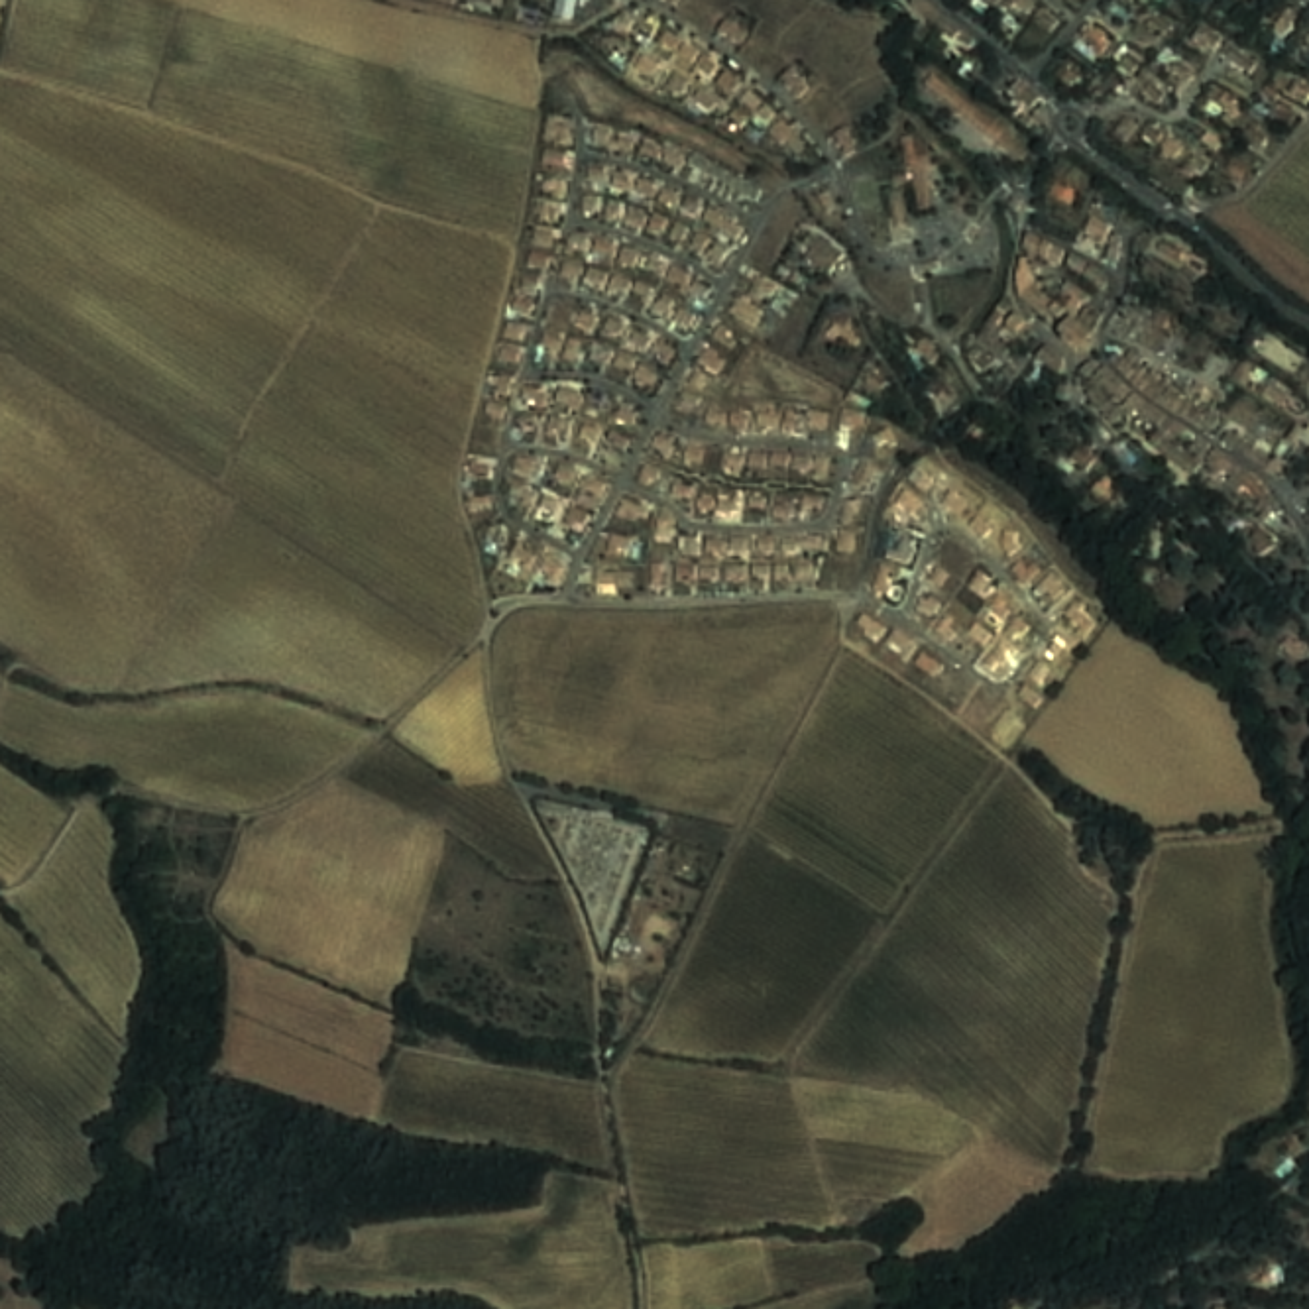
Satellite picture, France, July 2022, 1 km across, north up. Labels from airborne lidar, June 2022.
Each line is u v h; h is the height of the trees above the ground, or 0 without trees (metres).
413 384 0
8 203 0
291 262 0
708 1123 0
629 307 0
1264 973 0
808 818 0
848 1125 0
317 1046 0
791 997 0
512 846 0
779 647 0
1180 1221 12
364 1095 0
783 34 0
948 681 0
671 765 0
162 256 0
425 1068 0
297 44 0
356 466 0
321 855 0
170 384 0
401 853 0
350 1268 0
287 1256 21
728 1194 0
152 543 0
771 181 0
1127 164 11
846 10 11
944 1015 0
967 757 0
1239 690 21
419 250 0
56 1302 19
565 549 0
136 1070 16
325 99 0
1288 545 6
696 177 0
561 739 0
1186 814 0
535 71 0
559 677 0
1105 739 0
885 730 0
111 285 0
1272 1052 0
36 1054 0
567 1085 0
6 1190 0
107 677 0
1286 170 0
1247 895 0
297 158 0
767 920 0
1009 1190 0
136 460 0
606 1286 0
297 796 0
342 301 0
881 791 0
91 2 0
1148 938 0
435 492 0
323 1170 10
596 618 0
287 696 7
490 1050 7
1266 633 25
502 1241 0
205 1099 19
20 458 0
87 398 0
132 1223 17
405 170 0
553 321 0
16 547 0
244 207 0
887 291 0
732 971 0
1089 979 0
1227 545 14
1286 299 11
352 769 0
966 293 0
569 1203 0
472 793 0
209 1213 15
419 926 0
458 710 0
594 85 0
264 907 0
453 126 0
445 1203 7
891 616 0
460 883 0
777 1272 0
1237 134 10
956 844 0
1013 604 0
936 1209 0
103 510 0
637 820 10
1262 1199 13
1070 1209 11
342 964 0
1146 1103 0
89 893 0
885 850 0
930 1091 0
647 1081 0
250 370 0
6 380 0
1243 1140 15
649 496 0
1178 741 0
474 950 0
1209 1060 0
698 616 0
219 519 0
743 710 0
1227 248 10
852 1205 0
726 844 0
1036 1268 11
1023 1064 0
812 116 0
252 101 0
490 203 0
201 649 0
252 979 0
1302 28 14
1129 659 0
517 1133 0
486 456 0
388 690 0
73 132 0
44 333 0
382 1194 8
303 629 0
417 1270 0
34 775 11
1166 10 6
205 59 0
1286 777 12
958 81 8
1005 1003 0
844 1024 0
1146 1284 12
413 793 0
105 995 0
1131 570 23
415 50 0
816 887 0
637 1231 8
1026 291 0
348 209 0
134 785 0
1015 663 0
